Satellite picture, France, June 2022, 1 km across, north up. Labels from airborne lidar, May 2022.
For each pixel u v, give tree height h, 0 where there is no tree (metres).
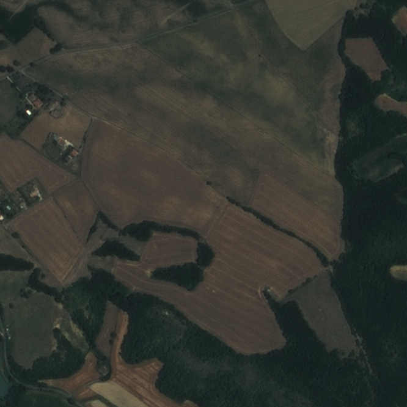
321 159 0
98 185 0
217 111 0
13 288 0
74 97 0
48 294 13
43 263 0
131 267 0
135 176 0
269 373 9
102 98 0
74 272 0
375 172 0
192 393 11
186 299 0
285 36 0
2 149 0
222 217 0
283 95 0
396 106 0
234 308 0
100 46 0
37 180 0
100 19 0
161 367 0
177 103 0
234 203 12
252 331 0
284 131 0
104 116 0
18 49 0
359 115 9
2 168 0
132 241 0
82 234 0
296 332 15
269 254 0
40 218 0
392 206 23
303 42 0
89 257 0
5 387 0
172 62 0
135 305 20
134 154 0
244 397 13
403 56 14
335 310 0
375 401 7
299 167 0
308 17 0
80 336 0
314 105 0
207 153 0
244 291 0
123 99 0
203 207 0
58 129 0
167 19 0
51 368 8
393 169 0
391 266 15
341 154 12
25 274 0
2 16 0
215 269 0
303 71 0
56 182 0
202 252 16
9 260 16
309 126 0
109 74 0
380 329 9
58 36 0
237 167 0
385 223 18
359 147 13
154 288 0
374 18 20
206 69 0
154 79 0
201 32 0
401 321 18
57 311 0
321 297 0
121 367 0
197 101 0
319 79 0
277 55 0
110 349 0
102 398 0
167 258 0
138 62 0
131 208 0
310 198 0
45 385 13
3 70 13
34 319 0
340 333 0
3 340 12
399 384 15
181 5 0
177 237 0
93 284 12
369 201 17
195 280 18
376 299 20
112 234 0
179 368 8
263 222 12
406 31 0
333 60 0
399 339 11
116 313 0
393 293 26
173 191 0
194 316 0
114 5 0
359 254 13
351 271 14
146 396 0
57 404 0
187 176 0
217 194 0
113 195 0
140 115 0
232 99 0
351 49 0
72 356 10
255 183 0
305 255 0
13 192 0
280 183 0
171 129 0
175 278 15
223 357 7
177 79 0
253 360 14
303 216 0
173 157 0
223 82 0
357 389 9
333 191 0
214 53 0
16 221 0
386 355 8
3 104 0
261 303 0
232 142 0
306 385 9
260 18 0
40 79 0
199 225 0
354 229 17
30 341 0
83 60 0
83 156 0
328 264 8
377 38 17
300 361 9
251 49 0
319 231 0
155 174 0
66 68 0
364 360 8
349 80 15
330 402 13
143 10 0
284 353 18
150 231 19
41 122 0
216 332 0
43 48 0
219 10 0
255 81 0
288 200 0
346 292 15
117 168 0
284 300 0
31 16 0
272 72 0
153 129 0
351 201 14
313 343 13
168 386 11
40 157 0
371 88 19
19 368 15
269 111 0
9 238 0
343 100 13
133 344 13
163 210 0
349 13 13
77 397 0
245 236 0
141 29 0
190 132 0
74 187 0
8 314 0
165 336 8
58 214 0
